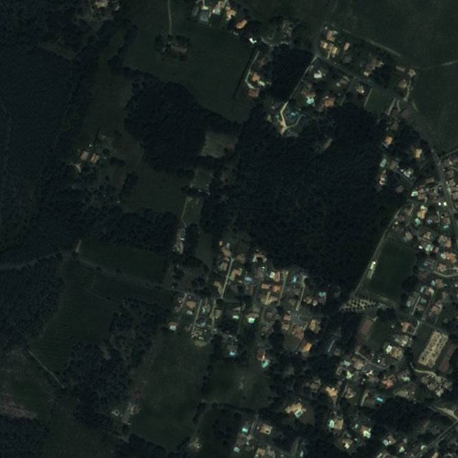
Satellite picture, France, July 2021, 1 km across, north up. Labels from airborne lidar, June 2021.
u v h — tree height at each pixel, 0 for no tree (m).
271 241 23
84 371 22
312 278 7
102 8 10
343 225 26
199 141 24
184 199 0
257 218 12
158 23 0
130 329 12
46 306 21
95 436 0
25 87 12
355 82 0
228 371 0
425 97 0
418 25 0
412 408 14
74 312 0
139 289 0
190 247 18
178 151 22
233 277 0
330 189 22
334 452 18
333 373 14
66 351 0
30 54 14
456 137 0
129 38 16
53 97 11
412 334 0
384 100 0
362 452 15
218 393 0
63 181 16
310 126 8
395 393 0
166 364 0
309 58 19
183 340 0
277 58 23
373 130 22
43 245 18
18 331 16
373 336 0
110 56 0
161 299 0
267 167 15
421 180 8
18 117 12
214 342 13
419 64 0
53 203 21
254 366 0
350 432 9
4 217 9
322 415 22
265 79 7
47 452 0
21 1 25
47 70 12
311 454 9
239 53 0
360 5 0
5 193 8
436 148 6
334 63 0
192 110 27
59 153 9
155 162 16
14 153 11
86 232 13
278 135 13
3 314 14
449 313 0
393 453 14
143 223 18
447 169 10
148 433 0
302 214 23
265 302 0
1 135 15
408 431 13
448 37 0
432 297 0
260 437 0
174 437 0
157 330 15
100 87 0
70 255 0
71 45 7
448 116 0
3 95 12
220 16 0
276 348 12
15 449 24
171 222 15
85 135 0
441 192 11
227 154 17
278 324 12
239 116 0
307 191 23
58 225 16
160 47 8
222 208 28
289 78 18
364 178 23
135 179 18
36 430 25
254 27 12
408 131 21
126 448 14
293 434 17
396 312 13
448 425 10
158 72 0
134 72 13
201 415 11
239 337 13
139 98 20
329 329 15
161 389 0
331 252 10
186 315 0
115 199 6
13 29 12
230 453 0
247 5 0
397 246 0
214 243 9
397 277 0
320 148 7
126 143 0
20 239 8
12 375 0
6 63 12
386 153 7
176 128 22
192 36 0
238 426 0
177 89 20
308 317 0
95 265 0
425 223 7
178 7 0
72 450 0
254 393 0
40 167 12
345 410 16
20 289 17
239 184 6
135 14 0
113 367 20
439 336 0
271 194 22
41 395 0
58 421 0
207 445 0
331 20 0
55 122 14
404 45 0
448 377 10
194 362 0
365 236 10
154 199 0
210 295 14
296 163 25
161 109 22
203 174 0
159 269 0
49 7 8
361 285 0
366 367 0
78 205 27
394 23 0
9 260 16
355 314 18
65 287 22
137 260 0
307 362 12
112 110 0
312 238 12
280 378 24
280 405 16
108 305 0
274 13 0
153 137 18
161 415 0
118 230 12
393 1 0
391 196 24
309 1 0
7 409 0
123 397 20
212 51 0
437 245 10
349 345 15
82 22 17
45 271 21
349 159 25
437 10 0
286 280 0
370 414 14
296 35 6
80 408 16
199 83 0
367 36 0
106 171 0
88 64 12
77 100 19
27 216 0
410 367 7
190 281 0
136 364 9
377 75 13
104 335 0
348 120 17
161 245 6
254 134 25
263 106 16
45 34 12
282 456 0
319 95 15
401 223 10
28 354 0
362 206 22
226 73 0
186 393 0
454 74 0
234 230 12
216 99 0
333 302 18
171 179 0
